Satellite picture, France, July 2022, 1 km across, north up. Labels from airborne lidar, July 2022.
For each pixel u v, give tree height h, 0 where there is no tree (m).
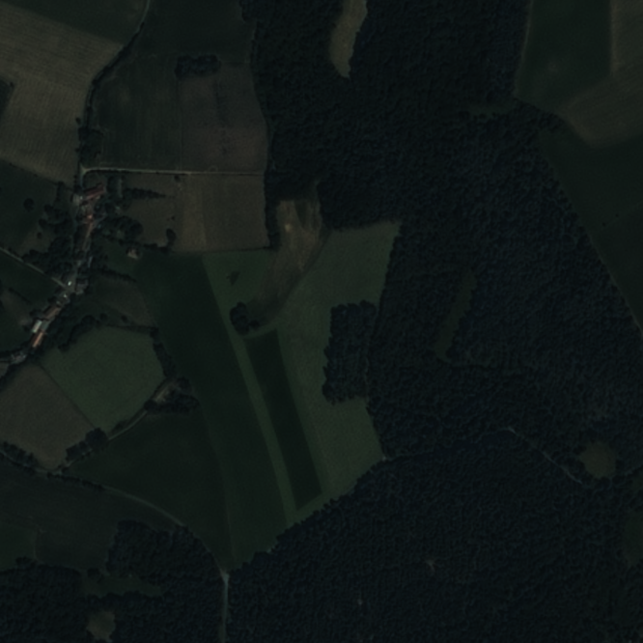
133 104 0
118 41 0
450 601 19
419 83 24
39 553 0
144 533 25
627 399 17
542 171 20
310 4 24
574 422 26
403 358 23
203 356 0
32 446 0
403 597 22
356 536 26
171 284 0
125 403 0
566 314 22
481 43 22
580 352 9
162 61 0
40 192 0
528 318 24
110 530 0
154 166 0
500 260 25
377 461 0
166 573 21
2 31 0
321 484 0
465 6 21
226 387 0
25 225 0
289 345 0
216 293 0
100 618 0
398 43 20
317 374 0
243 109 0
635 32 0
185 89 0
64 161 0
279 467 0
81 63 0
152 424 0
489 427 19
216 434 0
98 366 0
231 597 16
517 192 17
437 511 24
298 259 0
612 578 20
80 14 0
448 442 29
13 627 25
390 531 23
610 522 13
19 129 0
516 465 25
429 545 24
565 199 23
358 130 24
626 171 0
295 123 13
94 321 14
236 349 0
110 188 13
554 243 27
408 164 14
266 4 21
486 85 26
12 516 0
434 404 8
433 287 17
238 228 0
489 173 22
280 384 0
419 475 19
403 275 20
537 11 0
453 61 23
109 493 0
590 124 0
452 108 24
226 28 0
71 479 14
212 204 0
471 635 19
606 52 0
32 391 0
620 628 19
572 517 26
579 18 0
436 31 23
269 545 0
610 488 28
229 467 0
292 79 21
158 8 0
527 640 17
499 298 33
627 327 17
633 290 0
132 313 0
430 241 18
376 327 14
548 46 0
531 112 11
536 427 15
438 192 10
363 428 0
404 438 28
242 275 0
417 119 20
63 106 0
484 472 25
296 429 0
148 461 0
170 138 0
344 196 23
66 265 7
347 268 0
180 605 26
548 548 20
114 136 0
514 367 18
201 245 0
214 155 0
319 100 15
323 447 0
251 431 0
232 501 0
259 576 25
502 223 23
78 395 0
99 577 15
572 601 21
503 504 25
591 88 0
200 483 0
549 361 12
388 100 26
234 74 0
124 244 11
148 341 0
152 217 0
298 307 0
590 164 0
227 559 0
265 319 0
